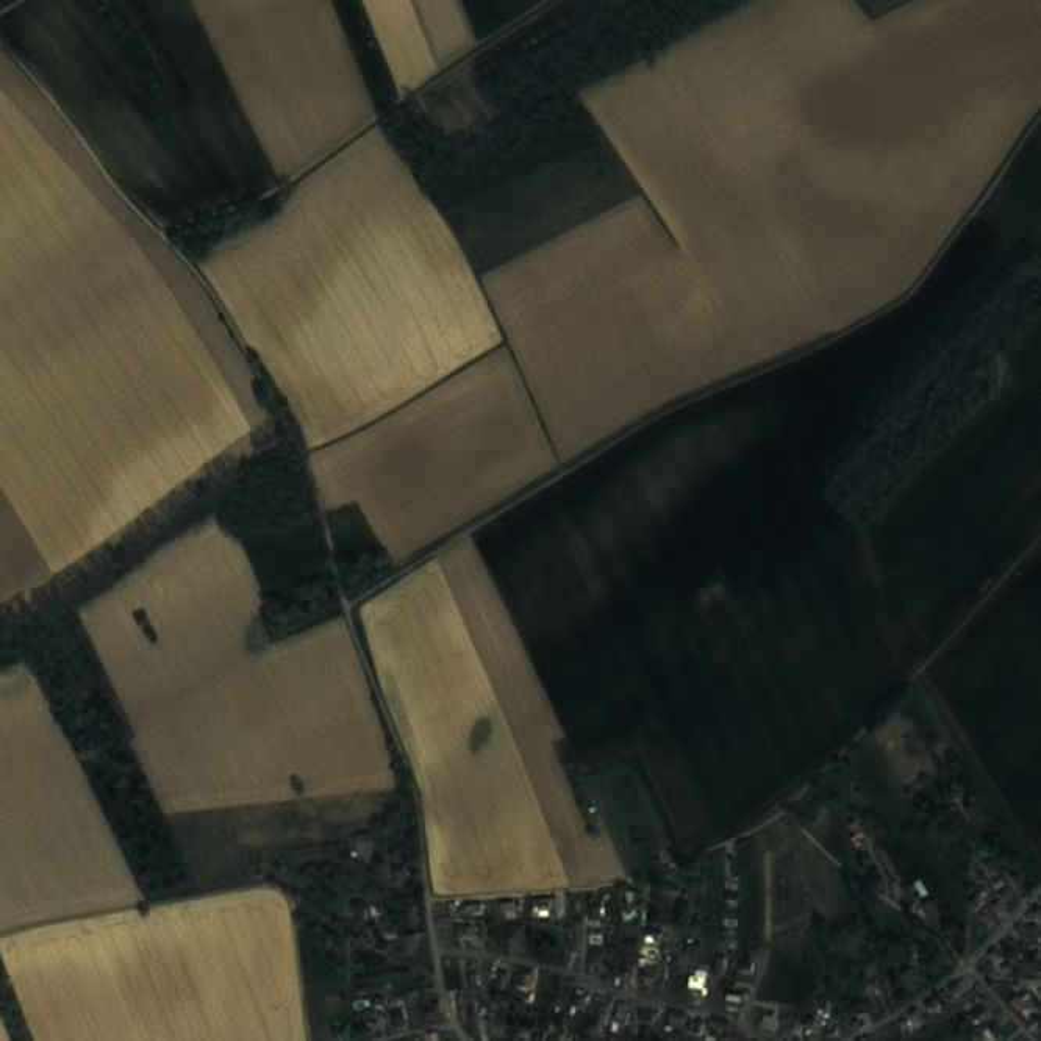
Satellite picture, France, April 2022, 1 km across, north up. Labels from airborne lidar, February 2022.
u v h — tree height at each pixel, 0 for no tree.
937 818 19
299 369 0
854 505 23
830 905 0
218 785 0
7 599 0
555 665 0
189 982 0
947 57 0
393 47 0
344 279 0
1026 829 0
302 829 0
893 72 0
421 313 0
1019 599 0
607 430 0
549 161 16
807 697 0
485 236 0
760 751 0
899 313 0
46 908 0
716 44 0
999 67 0
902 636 0
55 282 0
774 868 0
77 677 21
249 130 0
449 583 0
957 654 0
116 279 0
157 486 0
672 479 0
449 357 0
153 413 0
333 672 0
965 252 0
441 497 0
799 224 0
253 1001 0
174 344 0
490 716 0
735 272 0
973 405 21
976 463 0
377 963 20
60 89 0
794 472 0
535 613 0
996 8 0
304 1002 0
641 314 0
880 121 0
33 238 0
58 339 0
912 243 0
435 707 0
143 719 0
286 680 0
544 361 0
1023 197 0
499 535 0
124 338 0
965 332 21
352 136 0
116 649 0
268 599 8
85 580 23
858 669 0
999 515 0
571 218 0
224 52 0
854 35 0
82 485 0
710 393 0
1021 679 0
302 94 0
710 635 0
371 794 0
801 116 0
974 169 0
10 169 0
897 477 25
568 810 0
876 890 18
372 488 0
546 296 0
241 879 0
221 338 0
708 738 0
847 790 0
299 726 0
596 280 0
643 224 0
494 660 0
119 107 0
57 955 0
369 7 0
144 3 0
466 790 0
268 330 0
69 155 0
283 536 0
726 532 0
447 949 0
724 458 0
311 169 0
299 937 0
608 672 0
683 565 0
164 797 0
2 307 0
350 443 0
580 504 0
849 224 0
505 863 0
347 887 11
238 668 0
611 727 0
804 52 0
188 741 0
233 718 0
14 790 0
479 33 0
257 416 0
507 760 0
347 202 0
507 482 0
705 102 0
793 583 0
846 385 0
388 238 0
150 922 0
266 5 0
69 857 0
